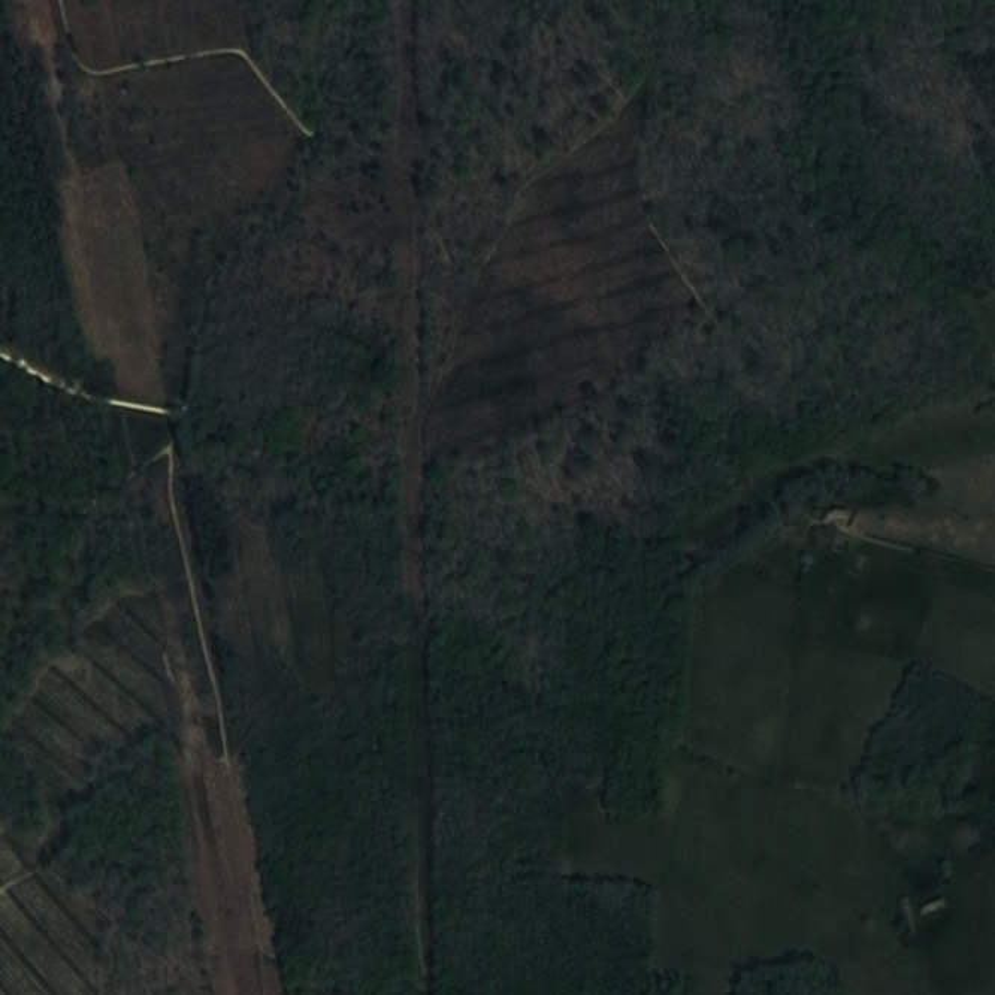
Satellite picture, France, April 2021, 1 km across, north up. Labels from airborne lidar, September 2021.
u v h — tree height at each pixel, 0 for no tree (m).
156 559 14
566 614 26
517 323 0
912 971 0
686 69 21
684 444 25
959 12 18
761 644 0
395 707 16
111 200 0
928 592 0
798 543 0
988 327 0
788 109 20
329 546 16
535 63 14
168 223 14
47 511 25
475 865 24
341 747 18
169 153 0
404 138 0
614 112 20
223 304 10
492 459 20
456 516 16
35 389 27
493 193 16
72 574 20
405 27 0
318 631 0
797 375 21
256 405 12
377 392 13
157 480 10
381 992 21
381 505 12
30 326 25
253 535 0
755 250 29
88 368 14
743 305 20
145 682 0
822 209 26
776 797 0
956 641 0
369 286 11
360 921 17
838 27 23
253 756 14
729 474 21
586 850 0
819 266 19
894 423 17
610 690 21
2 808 21
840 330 19
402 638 14
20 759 20
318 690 0
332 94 23
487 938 17
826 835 0
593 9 17
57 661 23
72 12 0
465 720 15
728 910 0
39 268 21
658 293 6
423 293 12
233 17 0
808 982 25
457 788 18
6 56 17
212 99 0
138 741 0
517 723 18
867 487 16
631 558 25
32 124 24
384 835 18
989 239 22
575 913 17
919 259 26
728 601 0
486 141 18
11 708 21
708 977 0
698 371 16
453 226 10
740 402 24
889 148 23
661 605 22
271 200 18
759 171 22
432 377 12
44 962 0
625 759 22
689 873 0
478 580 22
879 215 19
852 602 0
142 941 19
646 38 16
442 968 19
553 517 16
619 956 16
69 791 0
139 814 17
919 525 0
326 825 18
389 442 15
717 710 0
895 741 13
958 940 0
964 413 0
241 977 0
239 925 0
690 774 0
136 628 0
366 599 14
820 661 0
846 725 0
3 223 21
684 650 23
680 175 14
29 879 0
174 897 18
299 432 13
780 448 24
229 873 0
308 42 23
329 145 19
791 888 0
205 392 17
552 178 0
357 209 9
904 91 15
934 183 18
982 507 0
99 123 11
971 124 18
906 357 20
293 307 11
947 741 17
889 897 0
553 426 16
